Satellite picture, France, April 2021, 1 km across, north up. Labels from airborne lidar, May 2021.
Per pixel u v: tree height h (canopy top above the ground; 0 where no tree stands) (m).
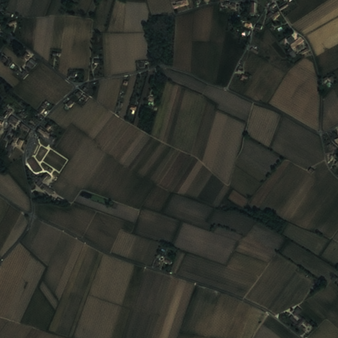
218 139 0
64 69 0
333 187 0
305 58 0
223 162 0
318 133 0
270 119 0
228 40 0
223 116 0
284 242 0
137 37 0
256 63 0
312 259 0
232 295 0
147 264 0
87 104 0
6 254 0
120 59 0
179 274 0
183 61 0
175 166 0
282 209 0
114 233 0
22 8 0
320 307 0
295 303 0
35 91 0
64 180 0
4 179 0
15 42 12
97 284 0
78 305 0
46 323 0
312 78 0
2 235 0
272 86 0
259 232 0
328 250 0
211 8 0
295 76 0
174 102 0
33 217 0
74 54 0
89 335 0
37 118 13
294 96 0
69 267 0
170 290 0
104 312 0
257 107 0
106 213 0
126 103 0
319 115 0
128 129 0
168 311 0
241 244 0
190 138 0
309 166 0
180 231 0
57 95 0
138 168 0
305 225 0
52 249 0
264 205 0
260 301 0
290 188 0
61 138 0
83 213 0
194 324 0
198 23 0
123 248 0
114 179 0
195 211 0
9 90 16
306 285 0
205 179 0
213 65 0
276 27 0
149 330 0
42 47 0
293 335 0
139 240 0
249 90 0
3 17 9
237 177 0
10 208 0
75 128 0
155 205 0
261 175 0
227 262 0
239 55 0
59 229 0
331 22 0
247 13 6
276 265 0
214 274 0
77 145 0
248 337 0
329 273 0
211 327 0
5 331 0
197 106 0
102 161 0
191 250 0
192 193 0
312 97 0
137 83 6
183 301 0
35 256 0
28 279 0
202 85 0
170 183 0
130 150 0
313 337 0
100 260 0
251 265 0
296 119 0
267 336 0
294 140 0
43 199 16
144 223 0
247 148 0
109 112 0
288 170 0
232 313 0
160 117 0
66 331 0
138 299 0
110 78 0
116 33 0
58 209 0
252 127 0
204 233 0
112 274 0
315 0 0
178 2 0
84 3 0
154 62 20
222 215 0
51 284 0
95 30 0
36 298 0
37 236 0
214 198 0
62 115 0
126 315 0
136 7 0
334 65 0
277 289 0
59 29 0
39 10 0
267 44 0
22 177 0
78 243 0
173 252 13
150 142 0
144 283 0
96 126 0
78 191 0
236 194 0
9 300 0
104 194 0
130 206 0
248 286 0
